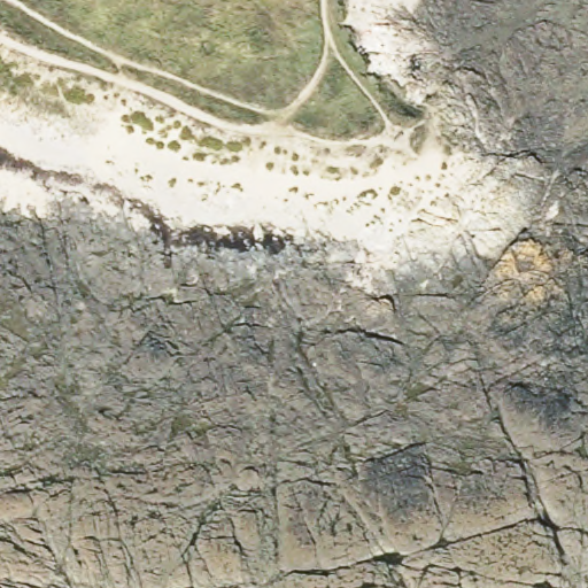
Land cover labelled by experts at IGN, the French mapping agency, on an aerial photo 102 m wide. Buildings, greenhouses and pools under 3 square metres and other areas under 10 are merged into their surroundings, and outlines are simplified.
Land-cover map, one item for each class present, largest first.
<instances>
[{"label":"bare soil","instance_id":"1","mask_svg":"<svg viewBox=\"0 0 588 588\"><path fill-rule=\"evenodd\" d=\"M331 32L335 37L340 53L345 55V62L361 78H374L379 101L390 115L409 119H420L425 115L430 119L427 140L418 161L402 165L397 156H388L372 177L351 175L340 181H333L319 175H280L276 170L253 168L241 158L232 165H218L195 158L181 161L172 149L149 147L142 136V126H138L136 122L124 124V113L119 103L115 106V110L106 115L103 124H99L96 136H76L69 122L60 115H39L32 106L16 103V96H11L9 92H0V588H588V0H328Z\"/></svg>","mask_w":588,"mask_h":588},{"label":"herbaceous vegetation","instance_id":"2","mask_svg":"<svg viewBox=\"0 0 588 588\"><path fill-rule=\"evenodd\" d=\"M0 30H5L14 39H21L23 44L37 46L39 51L85 62L110 74L117 71V64L113 60L53 32L51 28L37 23L34 18L25 16L23 11L2 0H0ZM25 5L53 18L55 23L69 28L71 32L87 37L124 57L149 62L158 69L179 74L181 78H188L198 85L269 108H285L312 78L322 60V0H23ZM16 62H5L0 57V92H9L11 96H16L21 87L32 85V76L11 74ZM377 113L370 106L368 96L347 78L345 69L338 62H331L317 90L305 99L301 110L294 115V124L301 126L303 133L317 138H361L374 124ZM122 76L168 92L181 99L184 103L200 108L218 119L234 124H260V113L232 106L207 94H198L168 78L133 67H124ZM200 145L211 149L241 152L250 147L248 136L239 140H218L209 136L200 138Z\"/></svg>","mask_w":588,"mask_h":588},{"label":"pervious surface","instance_id":"3","mask_svg":"<svg viewBox=\"0 0 588 588\"><path fill-rule=\"evenodd\" d=\"M23 11L25 16L34 18L37 23L51 28L53 32L113 60L117 64V71L110 74L85 62L39 51L37 46L23 44L21 39H14L5 30H0V57L5 62H16L11 74L32 76V85L21 87L16 96V103L32 106L39 115H60L69 122L76 136H96L99 124H103L106 115L115 110V106L119 103L124 113V124L136 122L138 126H142V136L149 147L172 149L181 161L195 158L218 165H232L241 158L253 168L276 170L280 175H319L333 181H340L351 175L372 177L388 156H397L402 165L418 161L427 140L430 119L425 115L420 119H409L390 115L379 101L374 78H361L345 62V55L340 53L335 37L331 32L328 0H322V60L312 78L285 108H269L198 85L188 78H181L179 74L158 69L149 62L124 57L87 37L71 32L69 28L55 23L53 18L25 5L23 0H2ZM331 62H338L345 69L347 78L368 96L370 106L377 113L374 124L361 138H317L303 133L301 126L294 124V115L301 110L305 99L317 90ZM124 67H133L168 78L198 94H207L232 106L260 113V124H234L218 119L200 108L184 103L181 99L168 92L122 76ZM209 136L218 140H239L248 136L250 147L241 152L211 149L200 145V138Z\"/></svg>","mask_w":588,"mask_h":588}]
</instances>
